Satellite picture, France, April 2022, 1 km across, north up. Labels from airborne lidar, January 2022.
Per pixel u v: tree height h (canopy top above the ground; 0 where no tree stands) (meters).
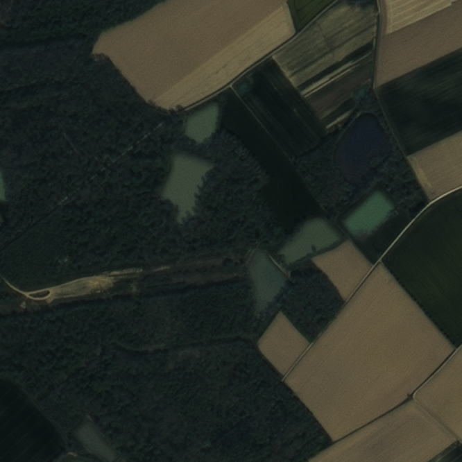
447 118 0
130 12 24
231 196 18
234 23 0
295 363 0
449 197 0
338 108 0
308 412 21
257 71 0
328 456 0
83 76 27
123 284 0
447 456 0
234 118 0
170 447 28
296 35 0
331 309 24
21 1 33
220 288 20
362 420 0
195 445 30
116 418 30
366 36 0
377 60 0
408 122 0
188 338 20
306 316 28
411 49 0
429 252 0
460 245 0
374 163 6
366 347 0
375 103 17
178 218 0
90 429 0
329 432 0
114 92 25
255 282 0
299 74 0
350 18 0
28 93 28
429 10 0
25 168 31
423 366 0
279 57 0
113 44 0
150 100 0
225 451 26
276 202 0
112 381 26
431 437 0
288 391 21
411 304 0
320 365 0
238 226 29
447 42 0
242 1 0
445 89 0
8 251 19
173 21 0
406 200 7
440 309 0
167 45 0
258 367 19
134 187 32
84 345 29
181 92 0
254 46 0
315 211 0
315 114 0
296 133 0
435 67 0
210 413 19
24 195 21
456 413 0
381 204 0
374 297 0
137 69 0
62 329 26
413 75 0
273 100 0
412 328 0
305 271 0
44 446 0
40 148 29
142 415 30
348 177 0
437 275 0
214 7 0
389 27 0
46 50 29
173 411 30
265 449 24
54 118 28
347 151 0
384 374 0
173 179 0
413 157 0
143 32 0
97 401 29
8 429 0
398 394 0
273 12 0
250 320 21
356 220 0
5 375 14
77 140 28
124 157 30
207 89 0
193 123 0
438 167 0
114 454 0
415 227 0
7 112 23
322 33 0
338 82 0
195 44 0
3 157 26
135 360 30
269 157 0
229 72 0
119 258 29
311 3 0
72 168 30
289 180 0
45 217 15
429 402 0
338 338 0
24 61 32
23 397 0
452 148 0
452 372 0
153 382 27
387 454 0
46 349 29
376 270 0
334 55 0
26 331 30
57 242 17
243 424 28
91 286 0
